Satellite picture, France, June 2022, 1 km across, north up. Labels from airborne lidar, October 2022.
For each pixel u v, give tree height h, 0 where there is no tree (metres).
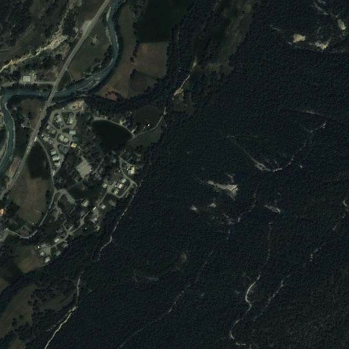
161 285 12
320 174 16
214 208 7
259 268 15
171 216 16
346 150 17
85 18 0
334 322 14
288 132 11
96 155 13
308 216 10
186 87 0
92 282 7
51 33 12
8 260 7
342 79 13
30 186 0
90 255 11
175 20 0
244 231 11
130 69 0
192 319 9
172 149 13
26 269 0
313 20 8
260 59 12
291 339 12
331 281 17
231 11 0
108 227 13
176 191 10
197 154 8
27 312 0
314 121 8
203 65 13
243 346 11
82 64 0
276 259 9
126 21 0
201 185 7
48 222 0
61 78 0
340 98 20
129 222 10
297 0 12
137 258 8
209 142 10
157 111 0
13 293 16
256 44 14
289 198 14
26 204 0
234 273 10
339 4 12
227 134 7
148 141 0
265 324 15
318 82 8
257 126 12
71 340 7
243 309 10
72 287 14
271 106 14
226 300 10
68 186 11
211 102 16
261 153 7
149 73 0
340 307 15
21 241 11
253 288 0
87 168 0
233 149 7
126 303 8
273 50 12
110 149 0
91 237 18
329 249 9
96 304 10
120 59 15
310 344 17
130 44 0
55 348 7
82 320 9
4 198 12
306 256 16
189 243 10
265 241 15
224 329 8
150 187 10
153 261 9
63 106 0
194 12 19
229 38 0
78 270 13
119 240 12
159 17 0
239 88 12
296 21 12
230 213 11
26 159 0
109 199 0
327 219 14
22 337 13
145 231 13
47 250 0
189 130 9
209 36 0
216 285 13
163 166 18
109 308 8
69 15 7
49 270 16
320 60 14
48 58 6
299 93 11
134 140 0
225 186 0
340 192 15
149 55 0
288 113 14
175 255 9
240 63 15
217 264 9
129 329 11
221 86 18
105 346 10
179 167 12
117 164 15
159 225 12
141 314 8
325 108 13
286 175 9
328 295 13
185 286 7
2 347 14
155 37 0
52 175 0
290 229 15
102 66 8
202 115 12
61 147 0
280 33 6
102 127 0
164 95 18
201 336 10
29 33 0
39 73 0
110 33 0
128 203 11
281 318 15
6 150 0
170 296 8
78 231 0
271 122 13
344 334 13
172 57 16
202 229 11
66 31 12
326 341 14
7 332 0
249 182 13
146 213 8
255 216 7
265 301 11
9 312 0
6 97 0
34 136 0
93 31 0
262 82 11
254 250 14
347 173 10
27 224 0
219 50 16
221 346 12
